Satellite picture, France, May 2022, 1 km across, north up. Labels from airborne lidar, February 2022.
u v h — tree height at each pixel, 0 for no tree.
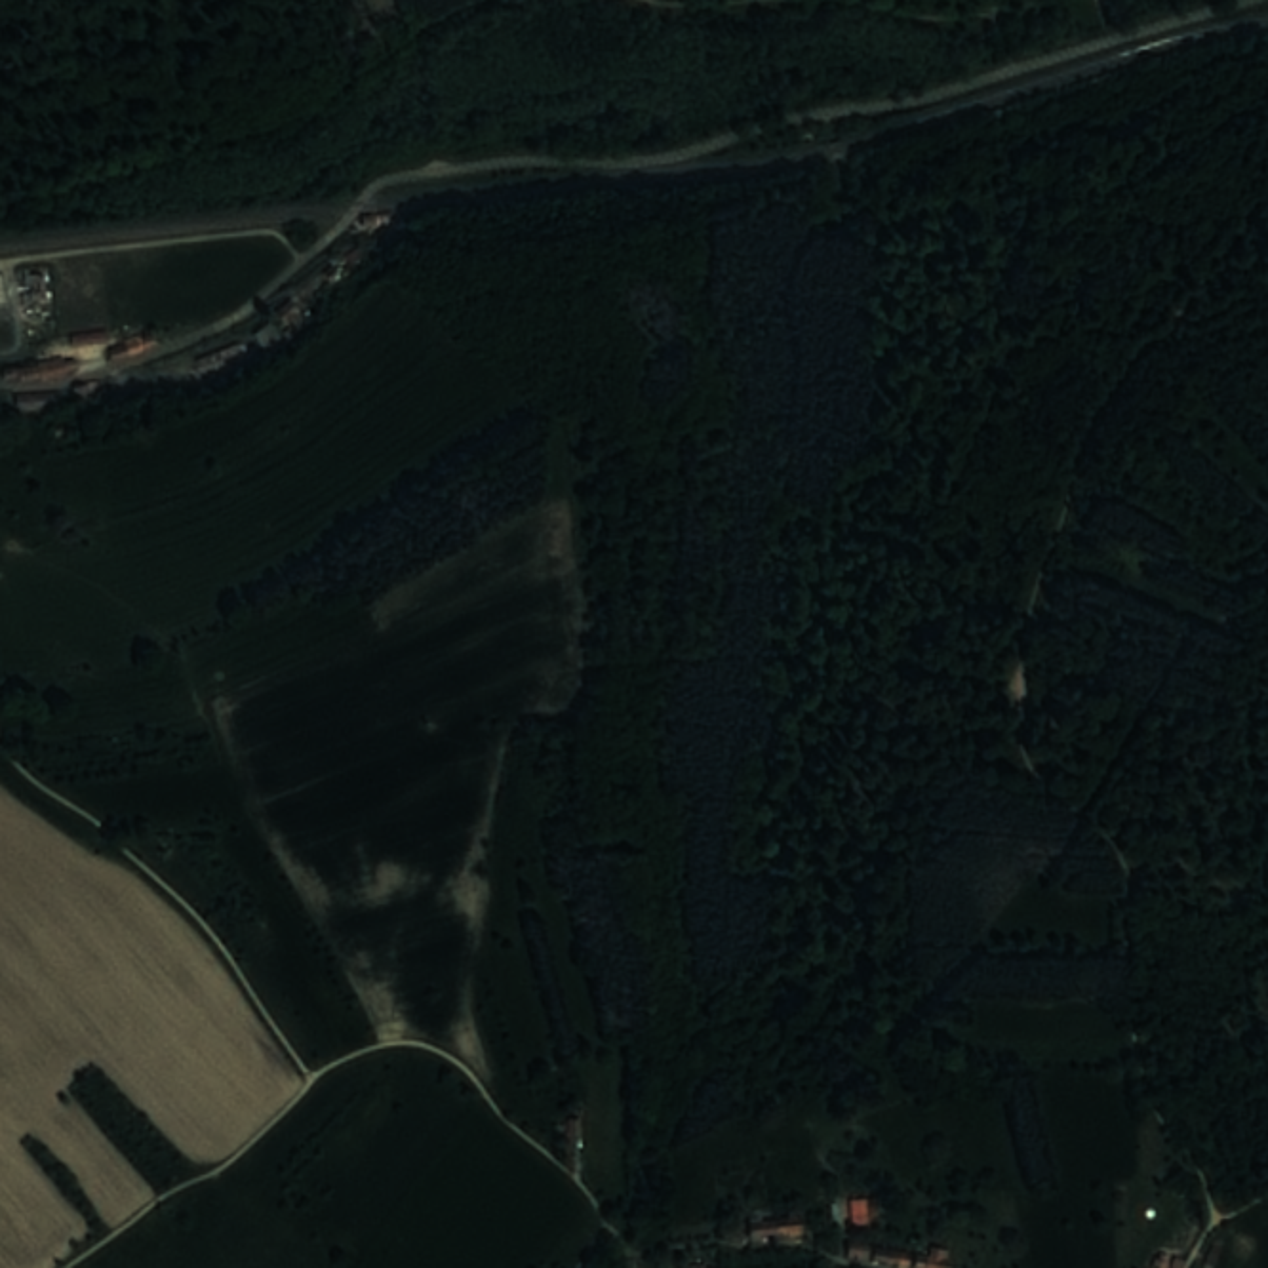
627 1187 6
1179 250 16
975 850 24
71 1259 0
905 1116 0
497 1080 0
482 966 0
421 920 0
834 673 35
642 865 25
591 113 19
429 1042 0
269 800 0
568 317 21
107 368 0
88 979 0
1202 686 21
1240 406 16
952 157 12
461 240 14
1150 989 15
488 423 0
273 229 0
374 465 0
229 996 0
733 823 21
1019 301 21
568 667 0
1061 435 17
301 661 0
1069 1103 0
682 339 30
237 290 0
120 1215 0
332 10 27
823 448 34
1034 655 29
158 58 32
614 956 27
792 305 39
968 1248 0
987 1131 0
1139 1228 0
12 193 26
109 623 0
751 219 28
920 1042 34
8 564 0
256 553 0
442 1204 0
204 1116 0
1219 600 24
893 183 26
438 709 0
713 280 29
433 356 0
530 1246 0
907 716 34
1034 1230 0
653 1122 27
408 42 16
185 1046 0
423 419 0
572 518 0
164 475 0
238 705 0
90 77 17
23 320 0
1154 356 10
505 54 19
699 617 32
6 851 0
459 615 0
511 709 0
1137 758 23
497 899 0
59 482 0
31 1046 0
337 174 24
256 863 0
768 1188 0
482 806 0
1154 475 8
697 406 22
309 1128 0
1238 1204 11
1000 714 34
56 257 0
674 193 15
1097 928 0
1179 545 25
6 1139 0
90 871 0
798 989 10
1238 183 15
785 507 19
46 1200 0
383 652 0
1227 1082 21
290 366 7
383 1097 0
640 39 17
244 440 0
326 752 0
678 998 27
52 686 0
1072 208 28
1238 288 16
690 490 26
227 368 0
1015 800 23
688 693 31
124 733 0
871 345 32
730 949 32
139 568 0
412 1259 0
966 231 33
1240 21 0
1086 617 18
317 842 0
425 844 0
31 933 0
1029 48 22
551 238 21
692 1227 0
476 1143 0
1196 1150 12
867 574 29
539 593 0
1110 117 7
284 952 0
